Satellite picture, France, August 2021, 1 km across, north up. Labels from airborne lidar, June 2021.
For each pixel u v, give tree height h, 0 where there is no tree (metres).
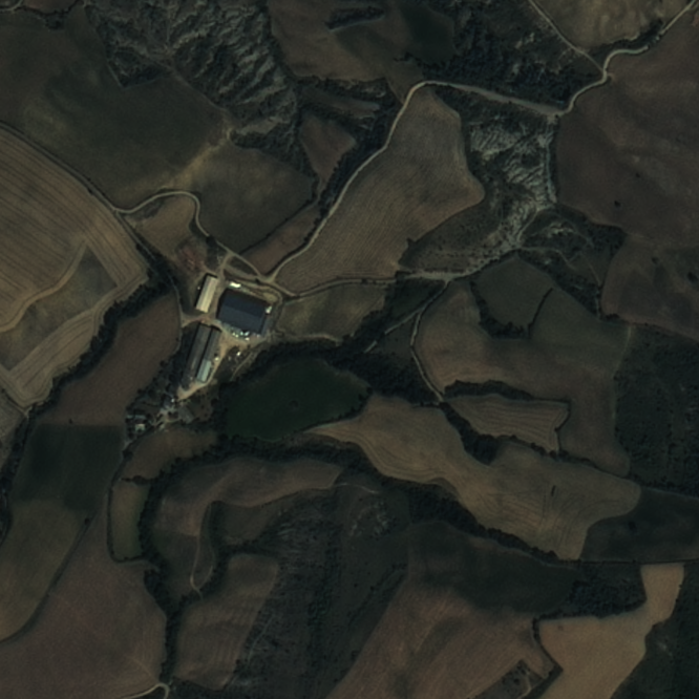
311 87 0
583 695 0
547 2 0
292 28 0
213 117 0
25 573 0
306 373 0
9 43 0
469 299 0
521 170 0
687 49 0
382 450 0
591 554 0
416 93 0
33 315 0
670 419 0
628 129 0
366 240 0
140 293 6
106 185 0
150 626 0
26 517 0
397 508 0
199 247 0
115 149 0
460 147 0
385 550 0
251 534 0
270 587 0
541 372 0
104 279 0
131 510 0
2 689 0
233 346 0
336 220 0
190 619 0
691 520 0
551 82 9
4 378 0
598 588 9
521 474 0
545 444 0
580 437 0
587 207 0
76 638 0
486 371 0
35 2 0
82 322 0
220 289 0
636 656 0
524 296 0
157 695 7
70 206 0
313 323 0
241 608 0
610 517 0
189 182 0
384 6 0
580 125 0
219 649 0
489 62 11
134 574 0
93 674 0
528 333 6
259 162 0
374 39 0
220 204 0
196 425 8
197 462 12
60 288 0
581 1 0
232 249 0
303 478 0
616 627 0
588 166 0
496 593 0
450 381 0
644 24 0
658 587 0
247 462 0
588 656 0
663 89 0
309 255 0
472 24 10
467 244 0
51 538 0
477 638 0
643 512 0
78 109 0
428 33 0
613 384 0
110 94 0
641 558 0
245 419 0
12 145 0
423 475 0
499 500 0
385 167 0
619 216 0
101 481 0
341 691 0
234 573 0
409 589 0
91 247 0
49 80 0
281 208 0
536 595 0
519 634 0
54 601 0
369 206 0
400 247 0
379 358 12
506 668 0
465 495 0
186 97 0
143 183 0
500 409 0
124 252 0
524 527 0
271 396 0
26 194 0
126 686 0
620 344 0
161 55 0
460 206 0
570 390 0
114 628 0
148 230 0
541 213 0
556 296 0
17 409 0
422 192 0
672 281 0
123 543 0
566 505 0
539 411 0
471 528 13
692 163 0
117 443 0
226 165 0
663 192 0
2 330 0
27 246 0
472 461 0
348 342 15
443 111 0
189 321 0
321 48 0
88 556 0
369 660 0
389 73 0
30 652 0
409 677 0
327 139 0
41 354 0
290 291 0
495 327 8
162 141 0
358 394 0
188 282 0
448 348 0
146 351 0
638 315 0
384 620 0
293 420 0
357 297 0
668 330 0
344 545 0
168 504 0
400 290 11
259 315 0
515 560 0
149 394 8
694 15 0
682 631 8
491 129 0
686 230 0
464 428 14
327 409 0
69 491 0
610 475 0
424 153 0
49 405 7
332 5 0
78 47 0
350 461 6
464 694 0
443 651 0
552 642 0
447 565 0
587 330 0
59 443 0
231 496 0
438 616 0
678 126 0
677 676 7
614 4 0
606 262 0
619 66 0
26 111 0
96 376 0
